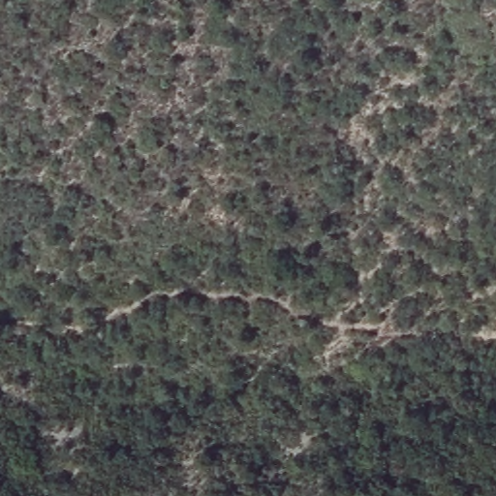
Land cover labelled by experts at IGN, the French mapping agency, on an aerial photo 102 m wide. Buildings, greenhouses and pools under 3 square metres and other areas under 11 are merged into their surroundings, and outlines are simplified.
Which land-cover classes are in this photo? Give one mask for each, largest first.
<instances>
[{"label":"brushwood","instance_id":"1","mask_svg":"<svg viewBox=\"0 0 496 496\"><path fill-rule=\"evenodd\" d=\"M409 72L417 76V83L407 87L395 85L391 93L403 108H386V112L370 114L366 120L364 128L376 136L374 145H368V139L356 141L355 145H349L345 139H339L337 130L345 128L356 112H360V108L366 103L382 101V97L374 93L376 85H387L391 77H405ZM0 496H496V0H0Z\"/></svg>","mask_w":496,"mask_h":496},{"label":"bare soil","instance_id":"2","mask_svg":"<svg viewBox=\"0 0 496 496\"><path fill-rule=\"evenodd\" d=\"M417 83V76L409 72L405 77H391L387 85H376L374 93L382 97V101L366 103L360 108V112H356L345 128L337 130L339 139H345L349 145H355L356 141L368 139V145H374L376 136L364 128L366 120L370 114L386 112V108H403L391 93L395 85L407 87Z\"/></svg>","mask_w":496,"mask_h":496}]
</instances>
